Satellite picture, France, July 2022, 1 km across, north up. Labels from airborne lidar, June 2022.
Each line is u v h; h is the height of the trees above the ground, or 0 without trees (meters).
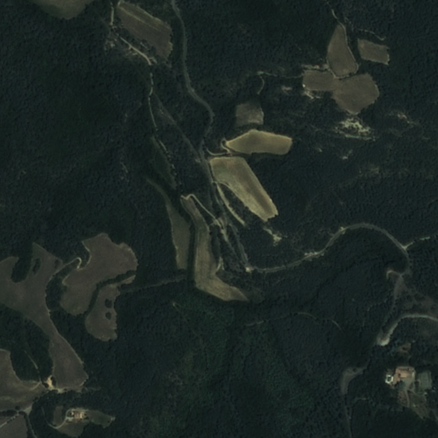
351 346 14
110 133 11
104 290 0
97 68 16
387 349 12
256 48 13
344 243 13
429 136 10
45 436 13
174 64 13
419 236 16
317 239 14
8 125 7
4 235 7
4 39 16
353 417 13
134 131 9
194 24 10
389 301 9
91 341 13
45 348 8
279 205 10
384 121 10
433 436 14
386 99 9
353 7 9
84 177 10
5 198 8
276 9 7
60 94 12
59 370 0
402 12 14
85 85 6
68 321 15
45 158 11
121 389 11
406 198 14
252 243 7
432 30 13
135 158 12
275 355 12
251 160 9
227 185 0
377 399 15
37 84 10
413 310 8
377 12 13
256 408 7
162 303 11
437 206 13
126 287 14
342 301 10
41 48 12
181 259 0
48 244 8
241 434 14
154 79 10
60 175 12
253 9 9
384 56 0
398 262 9
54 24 13
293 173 13
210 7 8
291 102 7
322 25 7
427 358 19
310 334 10
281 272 10
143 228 12
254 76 12
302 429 17
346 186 6
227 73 10
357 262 9
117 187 9
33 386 0
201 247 0
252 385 6
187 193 7
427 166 9
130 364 8
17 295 0
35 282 0
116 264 0
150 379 9
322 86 0
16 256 11
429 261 18
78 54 14
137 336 12
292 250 10
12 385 0
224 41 9
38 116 9
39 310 0
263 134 0
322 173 10
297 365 10
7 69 8
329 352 15
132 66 7
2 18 11
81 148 5
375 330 9
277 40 8
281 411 10
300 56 9
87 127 8
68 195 14
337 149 9
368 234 9
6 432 0
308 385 6
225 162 0
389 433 7
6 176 10
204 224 0
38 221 9
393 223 17
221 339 12
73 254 9
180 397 11
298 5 13
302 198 7
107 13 6
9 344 6
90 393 9
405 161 16
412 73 11
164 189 7
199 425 11
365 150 10
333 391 15
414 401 0
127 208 11
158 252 11
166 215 8
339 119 6
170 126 10
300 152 11
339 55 0
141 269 12
